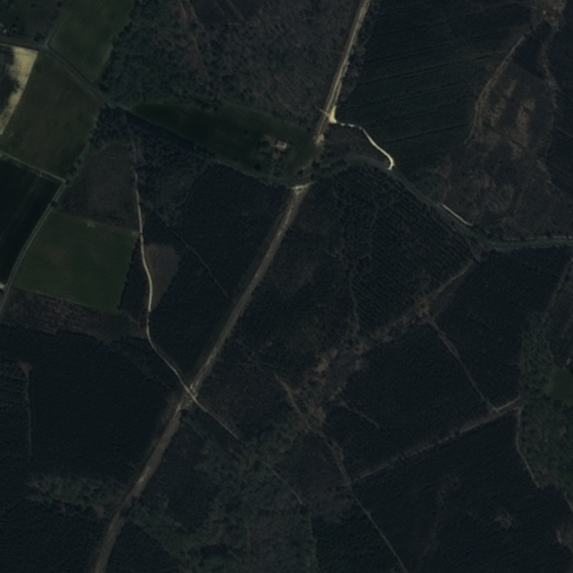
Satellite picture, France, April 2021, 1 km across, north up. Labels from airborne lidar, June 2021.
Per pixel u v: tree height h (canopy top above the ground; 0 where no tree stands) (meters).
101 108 0
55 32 0
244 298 0
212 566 27
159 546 7
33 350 12
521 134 0
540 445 19
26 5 0
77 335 9
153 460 0
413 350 15
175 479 9
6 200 0
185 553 20
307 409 19
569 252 10
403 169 7
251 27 7
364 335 12
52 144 0
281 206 9
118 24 0
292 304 10
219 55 11
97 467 11
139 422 12
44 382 11
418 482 10
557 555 13
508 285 11
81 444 11
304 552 11
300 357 9
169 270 0
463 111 8
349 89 9
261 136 0
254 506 18
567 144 11
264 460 21
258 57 21
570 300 9
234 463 13
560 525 10
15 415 16
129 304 10
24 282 0
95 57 0
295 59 13
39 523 9
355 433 11
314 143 0
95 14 0
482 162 0
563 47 10
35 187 0
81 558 11
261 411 10
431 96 7
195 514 9
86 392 12
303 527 10
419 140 7
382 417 14
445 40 8
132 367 14
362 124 6
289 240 8
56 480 17
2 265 0
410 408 14
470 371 11
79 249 0
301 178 12
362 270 15
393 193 11
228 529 6
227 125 0
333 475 8
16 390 17
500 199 14
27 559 11
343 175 13
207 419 8
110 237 0
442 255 12
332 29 9
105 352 11
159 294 0
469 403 10
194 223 11
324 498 9
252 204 9
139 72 19
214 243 11
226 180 12
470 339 11
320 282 7
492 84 0
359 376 12
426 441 10
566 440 11
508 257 8
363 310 12
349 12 10
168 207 13
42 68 0
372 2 6
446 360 13
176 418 0
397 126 8
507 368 11
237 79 13
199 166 16
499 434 11
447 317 10
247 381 8
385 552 13
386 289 9
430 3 9
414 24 9
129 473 12
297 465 10
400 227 9
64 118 0
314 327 9
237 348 8
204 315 11
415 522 11
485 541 11
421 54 9
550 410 21
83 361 11
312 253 7
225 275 10
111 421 11
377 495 10
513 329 12
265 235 9
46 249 0
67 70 0
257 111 14
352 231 21
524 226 0
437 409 12
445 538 11
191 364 10
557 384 0
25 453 16
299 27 13
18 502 13
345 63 0
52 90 0
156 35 10
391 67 8
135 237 0
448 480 7
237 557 20
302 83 12
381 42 11
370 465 11
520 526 10
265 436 21
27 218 0
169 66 21
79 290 0
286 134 0
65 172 0
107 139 21
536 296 12
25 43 0
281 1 12
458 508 10
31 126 0
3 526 12
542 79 9
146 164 7
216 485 9
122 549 6
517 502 12
